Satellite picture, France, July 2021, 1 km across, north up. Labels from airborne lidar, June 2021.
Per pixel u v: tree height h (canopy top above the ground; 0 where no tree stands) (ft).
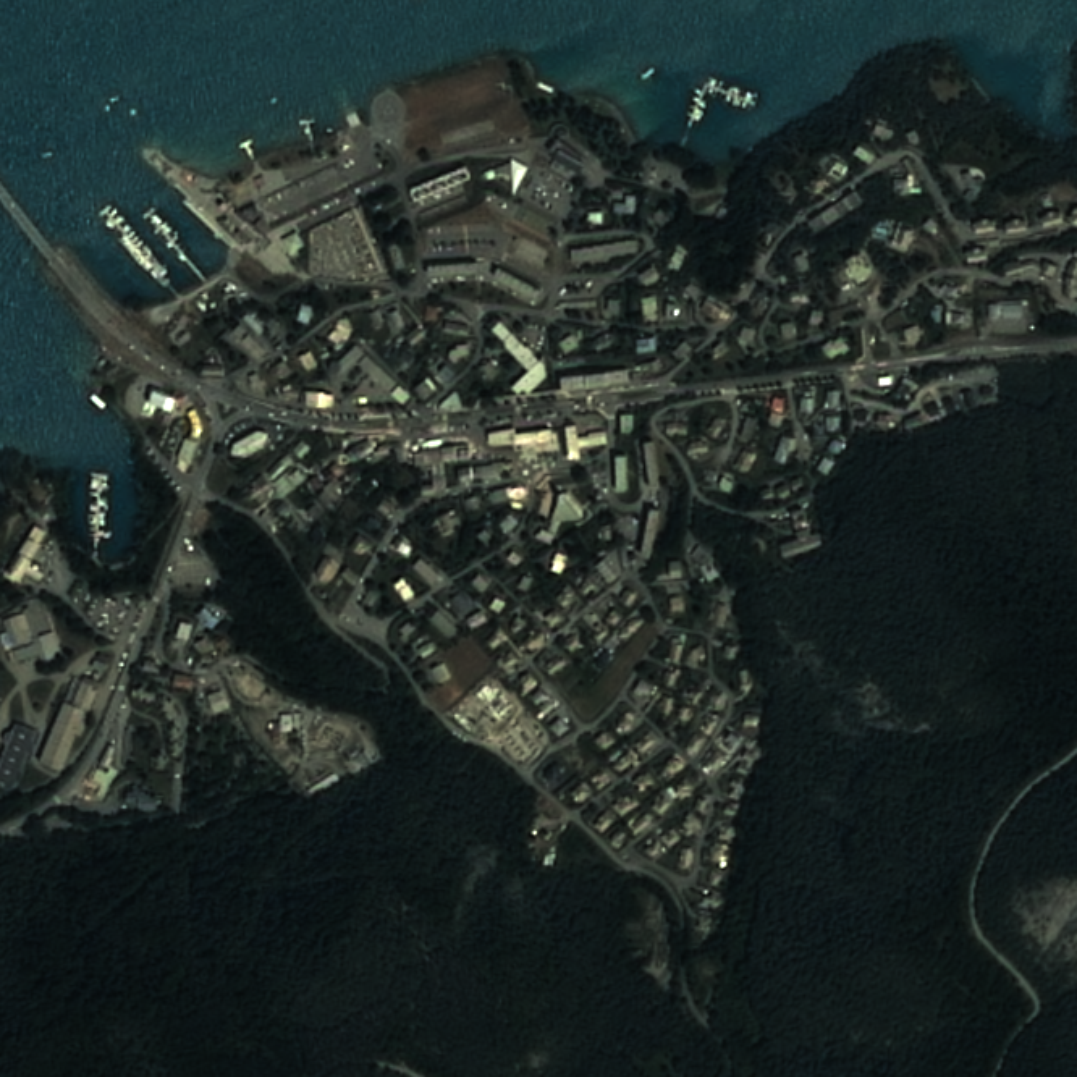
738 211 53
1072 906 0
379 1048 53
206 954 55
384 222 40
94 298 0
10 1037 46
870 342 0
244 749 21
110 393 33
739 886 52
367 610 34
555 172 0
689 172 42
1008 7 0
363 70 0
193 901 28
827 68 0
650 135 0
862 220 21
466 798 56
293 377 21
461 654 0
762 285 48
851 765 20
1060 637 37
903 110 24
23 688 0
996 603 36
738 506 48
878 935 17
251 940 21
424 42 0
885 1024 20
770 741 46
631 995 43
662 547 33
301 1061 30
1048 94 0
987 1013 21
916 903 39
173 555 0
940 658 18
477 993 58
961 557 36
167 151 0
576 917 53
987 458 23
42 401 0
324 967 18
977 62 0
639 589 0
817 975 23
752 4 0
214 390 0
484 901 28
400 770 39
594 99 0
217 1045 23
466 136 0
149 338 0
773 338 23
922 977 22
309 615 36
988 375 0
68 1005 55
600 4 0
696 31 0
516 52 0
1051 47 0
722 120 0
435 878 34
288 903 50
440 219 0
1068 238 22
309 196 0
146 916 46
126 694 0
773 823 42
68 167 0
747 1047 40
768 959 30
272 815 30
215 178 0
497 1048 36
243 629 50
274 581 31
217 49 0
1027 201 0
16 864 42
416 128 0
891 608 22
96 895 47
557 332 31
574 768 0
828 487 23
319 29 0
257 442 0
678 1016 31
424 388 0
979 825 32
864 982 18
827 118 22
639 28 0
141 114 0
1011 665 41
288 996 22
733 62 0
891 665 25
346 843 33
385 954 21
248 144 0
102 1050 30
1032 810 20
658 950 0
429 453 0
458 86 0
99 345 0
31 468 67
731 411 0
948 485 22
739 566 30
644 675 34
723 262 60
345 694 50
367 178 0
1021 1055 33
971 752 27
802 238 25
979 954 34
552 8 0
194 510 0
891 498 24
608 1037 35
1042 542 34
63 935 50
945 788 25
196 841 35
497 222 0
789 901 31
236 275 0
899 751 26
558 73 0
